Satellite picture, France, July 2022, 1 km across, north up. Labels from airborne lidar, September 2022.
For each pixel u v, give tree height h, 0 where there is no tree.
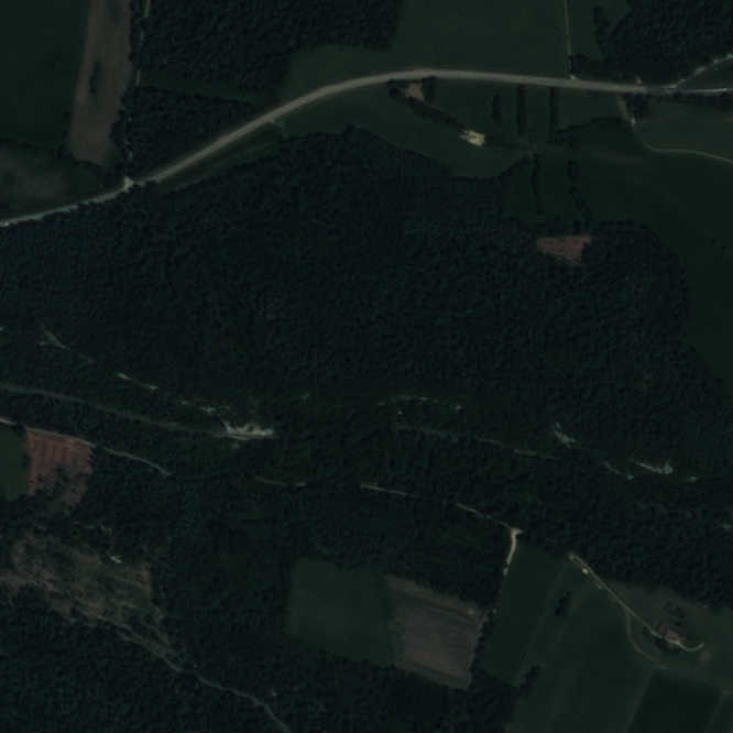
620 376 14
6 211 24
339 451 24
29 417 26
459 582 8
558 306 26
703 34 28
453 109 0
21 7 0
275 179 37
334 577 0
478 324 20
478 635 0
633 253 16
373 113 0
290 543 10
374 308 20
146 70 19
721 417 14
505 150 0
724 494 22
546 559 0
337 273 19
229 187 19
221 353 17
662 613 0
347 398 15
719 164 0
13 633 15
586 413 15
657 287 11
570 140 11
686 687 0
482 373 10
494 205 23
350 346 9
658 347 10
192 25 14
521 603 0
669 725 0
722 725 0
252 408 8
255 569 8
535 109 0
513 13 0
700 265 0
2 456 0
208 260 11
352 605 0
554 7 0
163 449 18
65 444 0
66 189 0
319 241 9
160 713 20
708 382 25
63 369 28
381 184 9
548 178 0
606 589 0
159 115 26
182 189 0
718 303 0
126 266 8
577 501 31
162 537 25
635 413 11
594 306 7
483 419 22
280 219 13
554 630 0
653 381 7
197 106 21
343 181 9
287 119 0
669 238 0
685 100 16
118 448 10
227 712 21
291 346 13
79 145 0
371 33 22
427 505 22
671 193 0
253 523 14
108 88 0
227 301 22
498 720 25
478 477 17
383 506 19
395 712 8
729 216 0
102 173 18
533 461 20
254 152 0
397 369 15
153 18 7
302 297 10
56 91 0
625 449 13
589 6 0
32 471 0
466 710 32
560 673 0
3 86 0
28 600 19
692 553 15
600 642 0
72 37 0
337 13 25
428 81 12
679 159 0
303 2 26
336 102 0
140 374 18
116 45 0
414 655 0
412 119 0
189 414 7
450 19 0
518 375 19
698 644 0
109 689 23
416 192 18
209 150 0
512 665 0
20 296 30
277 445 20
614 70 14
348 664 14
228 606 19
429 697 17
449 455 31
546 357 8
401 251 13
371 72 0
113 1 0
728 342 0
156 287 28
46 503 17
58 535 21
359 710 16
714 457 21
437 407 20
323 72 0
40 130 0
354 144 23
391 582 0
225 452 18
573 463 19
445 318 20
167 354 24
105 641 38
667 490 24
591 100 0
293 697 10
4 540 6
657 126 0
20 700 25
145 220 31
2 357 24
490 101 0
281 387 11
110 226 23
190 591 22
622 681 0
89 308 21
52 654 17
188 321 30
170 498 9
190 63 28
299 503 17
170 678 34
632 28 16
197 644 24
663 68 12
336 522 22
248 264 18
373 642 0
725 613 0
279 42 28
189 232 18
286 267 18
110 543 17
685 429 19
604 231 17
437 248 8
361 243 14
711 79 0
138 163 9
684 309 18
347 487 21
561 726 0
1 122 0
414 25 0
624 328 17
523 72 0
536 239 23
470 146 0
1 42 0
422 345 23
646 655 0
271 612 9
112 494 11
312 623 0
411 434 20
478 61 0
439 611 0
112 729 25
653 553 23
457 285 17
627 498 19
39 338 12
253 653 18
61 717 17
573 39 0
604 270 17
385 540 21
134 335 14
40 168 0
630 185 0
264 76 24
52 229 29
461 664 0
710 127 0
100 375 21
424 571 6
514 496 31
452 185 20
